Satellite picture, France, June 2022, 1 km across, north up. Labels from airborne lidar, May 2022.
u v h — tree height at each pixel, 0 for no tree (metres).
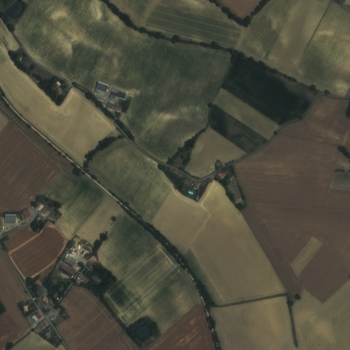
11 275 0
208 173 0
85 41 0
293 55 0
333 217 0
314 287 0
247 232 0
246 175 0
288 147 0
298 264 0
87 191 0
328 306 0
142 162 0
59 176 0
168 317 0
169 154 0
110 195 0
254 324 0
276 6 0
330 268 0
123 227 0
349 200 0
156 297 0
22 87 0
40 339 0
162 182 0
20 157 0
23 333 0
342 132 0
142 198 0
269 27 0
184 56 0
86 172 10
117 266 0
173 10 0
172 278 0
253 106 0
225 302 0
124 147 0
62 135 0
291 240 0
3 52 0
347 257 0
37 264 0
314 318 0
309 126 0
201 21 0
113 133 0
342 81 0
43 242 0
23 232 0
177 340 0
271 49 0
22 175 0
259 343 0
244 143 0
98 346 0
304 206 0
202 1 0
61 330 0
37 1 0
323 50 0
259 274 0
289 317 0
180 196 0
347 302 0
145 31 12
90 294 0
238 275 0
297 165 0
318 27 0
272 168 0
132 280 0
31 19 0
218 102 0
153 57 0
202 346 0
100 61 0
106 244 0
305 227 0
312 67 0
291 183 0
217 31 0
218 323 0
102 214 0
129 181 0
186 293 0
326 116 0
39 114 0
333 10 0
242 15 0
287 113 0
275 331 0
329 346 0
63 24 0
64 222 0
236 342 0
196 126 0
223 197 0
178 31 0
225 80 0
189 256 0
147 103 0
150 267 0
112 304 0
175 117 0
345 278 0
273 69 8
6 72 0
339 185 0
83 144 0
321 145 0
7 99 0
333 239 0
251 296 0
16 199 0
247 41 0
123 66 0
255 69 0
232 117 0
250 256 0
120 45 0
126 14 13
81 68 0
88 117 0
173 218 0
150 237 0
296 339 0
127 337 0
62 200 0
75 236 0
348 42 0
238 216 0
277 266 0
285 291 0
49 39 0
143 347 0
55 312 0
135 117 0
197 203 0
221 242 0
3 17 19
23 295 0
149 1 0
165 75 0
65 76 0
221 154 0
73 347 0
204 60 0
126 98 0
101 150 10
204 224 0
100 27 0
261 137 0
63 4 0
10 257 0
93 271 11
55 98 11
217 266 0
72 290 0
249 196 0
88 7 0
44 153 0
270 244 0
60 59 0
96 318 0
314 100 0
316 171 0
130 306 0
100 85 0
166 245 14
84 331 0
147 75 0
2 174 0
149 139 0
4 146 0
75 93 0
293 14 0
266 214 0
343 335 0
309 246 0
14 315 0
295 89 0
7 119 0
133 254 0
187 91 0
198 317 0
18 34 0
